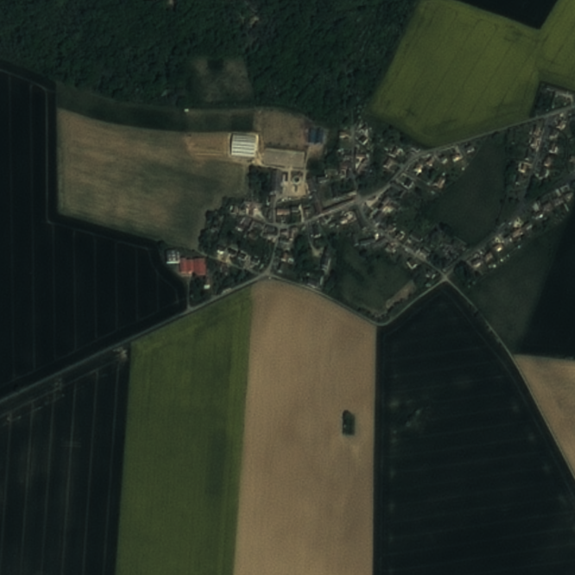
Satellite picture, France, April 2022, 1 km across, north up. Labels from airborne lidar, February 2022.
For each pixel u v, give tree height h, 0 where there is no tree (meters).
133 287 0
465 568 0
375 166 9
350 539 0
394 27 16
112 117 0
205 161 0
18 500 0
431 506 0
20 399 0
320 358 0
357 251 0
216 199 0
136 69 21
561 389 0
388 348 0
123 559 0
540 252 0
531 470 0
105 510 0
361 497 0
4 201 0
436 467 0
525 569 0
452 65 0
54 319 0
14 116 0
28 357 0
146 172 0
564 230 0
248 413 0
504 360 0
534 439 0
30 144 0
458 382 0
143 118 0
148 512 0
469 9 0
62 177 0
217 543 0
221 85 0
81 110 0
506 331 0
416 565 0
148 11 14
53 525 0
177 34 18
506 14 0
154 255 0
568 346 0
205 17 16
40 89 0
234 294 0
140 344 0
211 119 0
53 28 24
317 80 17
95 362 0
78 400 0
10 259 0
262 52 14
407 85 0
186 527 0
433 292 0
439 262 16
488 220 0
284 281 0
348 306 0
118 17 17
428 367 0
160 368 0
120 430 0
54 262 0
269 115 0
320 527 0
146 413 0
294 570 0
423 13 0
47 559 0
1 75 0
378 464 0
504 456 0
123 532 0
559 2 0
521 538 0
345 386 0
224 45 19
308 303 0
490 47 0
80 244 0
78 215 0
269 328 0
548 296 0
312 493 0
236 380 0
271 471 0
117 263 0
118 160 0
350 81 18
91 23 18
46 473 0
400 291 0
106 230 0
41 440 0
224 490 0
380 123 0
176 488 0
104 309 0
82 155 0
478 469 0
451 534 0
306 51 13
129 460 0
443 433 0
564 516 0
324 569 0
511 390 0
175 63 25
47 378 0
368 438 0
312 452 0
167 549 0
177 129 0
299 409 0
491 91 0
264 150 0
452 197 0
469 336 0
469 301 0
